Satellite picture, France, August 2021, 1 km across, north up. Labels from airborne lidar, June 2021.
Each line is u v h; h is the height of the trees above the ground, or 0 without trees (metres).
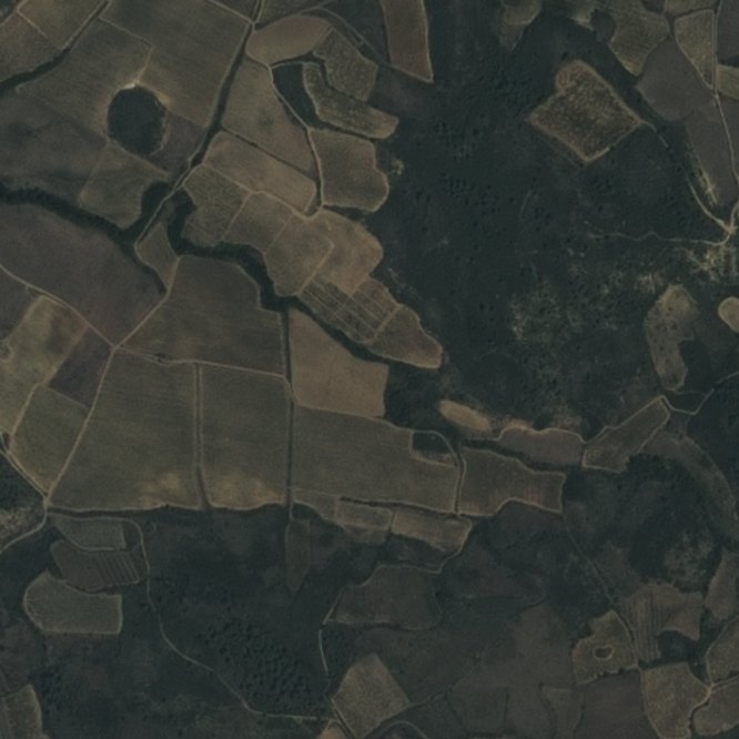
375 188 0
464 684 0
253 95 0
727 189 0
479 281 0
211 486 0
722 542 6
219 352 0
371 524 0
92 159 0
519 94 9
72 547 0
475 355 0
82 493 0
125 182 0
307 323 0
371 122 0
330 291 0
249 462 0
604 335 0
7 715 0
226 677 0
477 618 0
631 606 0
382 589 0
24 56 0
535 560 0
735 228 0
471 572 0
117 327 0
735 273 0
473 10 0
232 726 0
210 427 0
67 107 0
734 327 0
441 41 0
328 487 0
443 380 0
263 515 0
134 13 0
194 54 0
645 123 0
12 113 0
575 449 0
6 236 0
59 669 8
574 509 0
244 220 0
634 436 0
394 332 0
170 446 0
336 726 0
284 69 0
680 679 0
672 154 7
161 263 0
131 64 0
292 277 0
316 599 0
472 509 0
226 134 0
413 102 0
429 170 0
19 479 0
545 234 0
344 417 0
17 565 0
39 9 0
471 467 0
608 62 0
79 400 0
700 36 0
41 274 0
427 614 0
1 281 0
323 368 0
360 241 0
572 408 0
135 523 0
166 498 0
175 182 0
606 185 8
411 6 0
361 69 0
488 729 0
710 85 0
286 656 11
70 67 0
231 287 0
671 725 0
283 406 0
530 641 0
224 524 0
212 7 0
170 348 0
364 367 0
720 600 0
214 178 0
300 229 0
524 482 0
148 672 0
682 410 0
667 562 0
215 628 7
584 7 0
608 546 0
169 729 0
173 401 0
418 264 0
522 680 0
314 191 0
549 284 0
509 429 0
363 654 0
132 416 0
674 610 0
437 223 0
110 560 0
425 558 0
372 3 0
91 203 0
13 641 0
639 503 0
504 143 0
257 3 0
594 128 0
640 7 0
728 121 0
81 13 0
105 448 0
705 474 0
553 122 0
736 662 0
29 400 0
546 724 0
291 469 0
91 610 0
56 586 0
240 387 0
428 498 0
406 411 7
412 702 0
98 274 0
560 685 0
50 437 0
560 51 0
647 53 0
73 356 0
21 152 0
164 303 0
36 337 0
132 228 7
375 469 0
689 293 0
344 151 0
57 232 0
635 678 0
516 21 0
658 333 0
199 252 7
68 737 0
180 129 0
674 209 10
